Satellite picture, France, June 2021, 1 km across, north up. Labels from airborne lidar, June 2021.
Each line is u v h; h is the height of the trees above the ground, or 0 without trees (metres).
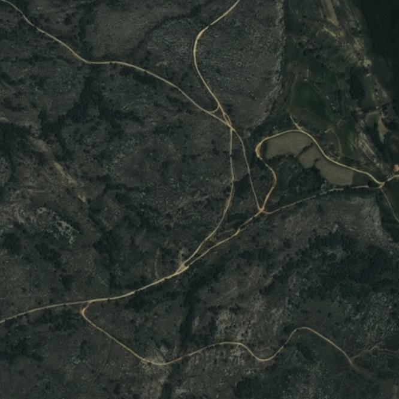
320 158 0
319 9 0
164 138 0
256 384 0
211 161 0
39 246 10
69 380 0
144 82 8
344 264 7
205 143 0
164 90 0
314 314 0
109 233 8
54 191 0
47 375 0
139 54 0
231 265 0
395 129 14
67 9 0
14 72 0
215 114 0
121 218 0
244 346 0
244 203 0
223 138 0
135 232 0
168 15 0
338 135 0
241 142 0
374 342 0
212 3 0
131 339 0
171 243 0
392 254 0
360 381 0
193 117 0
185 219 0
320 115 0
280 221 0
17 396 0
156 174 0
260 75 0
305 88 0
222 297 0
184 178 0
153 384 0
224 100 0
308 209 0
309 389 0
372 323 0
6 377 0
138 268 0
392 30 0
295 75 0
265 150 0
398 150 0
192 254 0
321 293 6
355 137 0
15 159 0
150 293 10
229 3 0
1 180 0
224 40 0
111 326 0
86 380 0
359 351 0
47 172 0
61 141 7
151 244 0
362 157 0
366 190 11
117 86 0
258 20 0
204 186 0
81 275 0
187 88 0
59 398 0
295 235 0
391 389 0
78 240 0
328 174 0
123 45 0
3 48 0
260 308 0
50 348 0
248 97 0
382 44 0
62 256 0
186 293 6
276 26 0
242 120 0
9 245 7
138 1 0
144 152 0
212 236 0
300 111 0
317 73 0
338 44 0
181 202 0
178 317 0
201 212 0
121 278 0
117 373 0
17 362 0
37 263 0
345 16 0
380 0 0
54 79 0
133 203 0
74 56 0
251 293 0
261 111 0
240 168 0
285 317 0
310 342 0
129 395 0
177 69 0
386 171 0
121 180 0
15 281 0
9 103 6
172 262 9
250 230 0
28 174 0
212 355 0
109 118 8
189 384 0
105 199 0
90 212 9
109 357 0
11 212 0
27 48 0
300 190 6
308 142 0
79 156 0
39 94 0
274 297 0
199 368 0
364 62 0
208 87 0
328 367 0
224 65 0
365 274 8
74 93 0
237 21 0
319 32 0
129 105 0
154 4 0
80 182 0
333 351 0
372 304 0
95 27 0
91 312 0
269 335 0
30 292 0
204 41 0
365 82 0
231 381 0
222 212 0
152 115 0
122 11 0
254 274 0
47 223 0
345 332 0
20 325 7
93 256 0
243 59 0
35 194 0
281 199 7
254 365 0
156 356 0
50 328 7
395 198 0
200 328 0
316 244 7
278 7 0
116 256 0
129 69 9
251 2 0
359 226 0
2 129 8
